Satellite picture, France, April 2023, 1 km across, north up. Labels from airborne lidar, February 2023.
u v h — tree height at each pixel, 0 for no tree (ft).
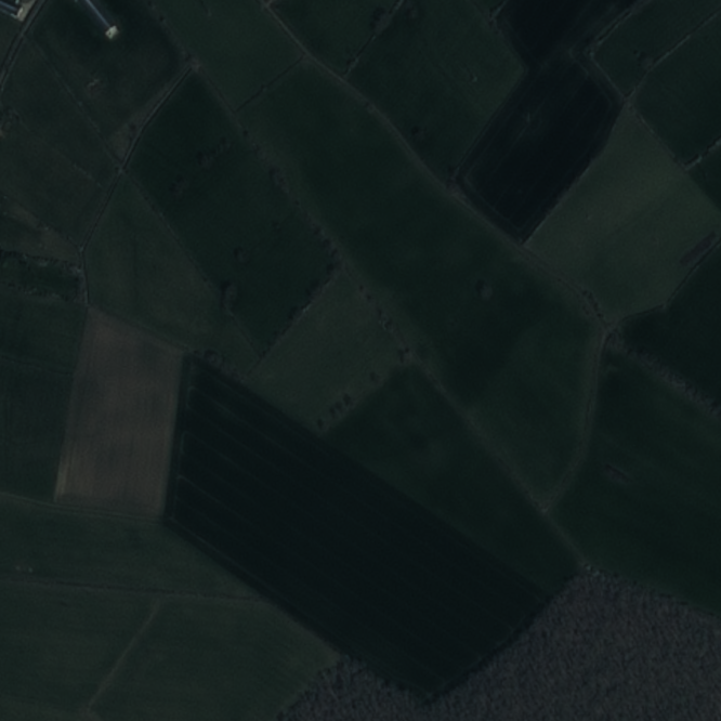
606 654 74
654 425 0
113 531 0
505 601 0
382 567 0
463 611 0
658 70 0
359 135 0
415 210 0
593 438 0
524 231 0
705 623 49
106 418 0
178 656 0
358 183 0
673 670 71
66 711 0
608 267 0
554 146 0
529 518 0
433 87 0
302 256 0
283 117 0
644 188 0
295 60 0
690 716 64
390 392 0
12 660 0
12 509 0
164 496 0
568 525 0
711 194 0
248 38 0
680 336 0
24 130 0
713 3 0
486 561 0
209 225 0
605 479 0
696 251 0
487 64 0
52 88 0
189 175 0
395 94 0
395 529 0
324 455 0
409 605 0
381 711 73
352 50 0
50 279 0
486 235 0
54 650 0
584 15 0
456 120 0
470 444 0
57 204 0
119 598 0
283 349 0
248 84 0
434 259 0
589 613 64
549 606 34
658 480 0
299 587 0
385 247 0
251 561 0
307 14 0
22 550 0
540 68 0
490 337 0
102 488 0
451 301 0
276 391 0
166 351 0
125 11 0
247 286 0
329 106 0
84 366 0
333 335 0
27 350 0
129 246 0
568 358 0
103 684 0
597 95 0
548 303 0
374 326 0
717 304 0
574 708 72
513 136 0
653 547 0
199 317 0
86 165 0
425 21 0
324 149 0
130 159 0
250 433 0
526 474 0
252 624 0
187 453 0
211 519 0
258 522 0
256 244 0
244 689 0
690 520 0
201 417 0
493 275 0
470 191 0
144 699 0
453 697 51
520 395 0
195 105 0
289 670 0
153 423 0
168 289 0
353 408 48
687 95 0
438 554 0
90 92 0
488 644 0
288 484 0
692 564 0
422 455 0
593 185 0
